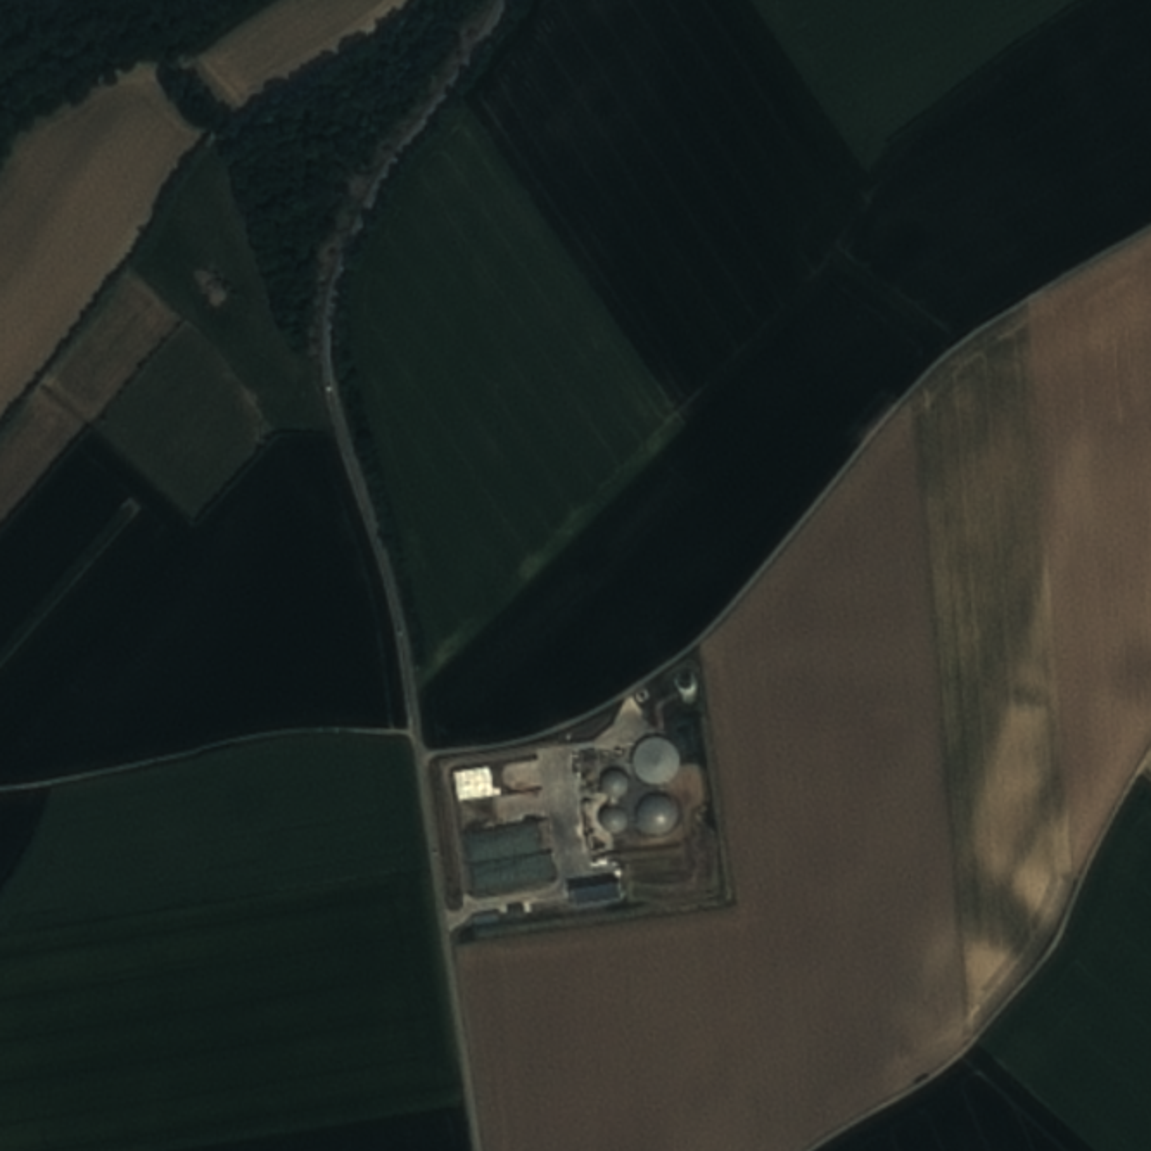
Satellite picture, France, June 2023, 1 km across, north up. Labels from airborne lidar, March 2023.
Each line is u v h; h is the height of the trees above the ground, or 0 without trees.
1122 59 0
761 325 0
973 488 0
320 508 0
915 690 0
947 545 0
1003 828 0
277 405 0
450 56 17
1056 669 0
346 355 14
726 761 0
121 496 0
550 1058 0
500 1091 0
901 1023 0
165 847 0
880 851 0
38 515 0
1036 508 0
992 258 0
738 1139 0
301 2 0
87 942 0
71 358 0
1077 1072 0
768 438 0
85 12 19
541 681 0
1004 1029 0
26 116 20
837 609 0
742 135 0
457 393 0
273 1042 0
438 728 0
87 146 0
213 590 0
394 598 0
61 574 0
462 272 0
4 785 0
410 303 0
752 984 0
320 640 0
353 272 12
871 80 0
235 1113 0
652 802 0
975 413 0
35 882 0
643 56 0
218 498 6
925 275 0
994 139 0
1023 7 0
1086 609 0
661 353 0
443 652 0
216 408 0
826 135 0
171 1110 0
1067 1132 0
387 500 6
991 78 0
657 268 0
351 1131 0
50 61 24
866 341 0
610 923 0
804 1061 0
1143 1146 0
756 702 0
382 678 0
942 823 0
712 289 0
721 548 0
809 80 0
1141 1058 0
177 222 0
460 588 0
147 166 0
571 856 0
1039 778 0
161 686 0
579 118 0
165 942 0
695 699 0
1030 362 0
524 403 0
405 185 0
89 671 0
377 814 0
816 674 0
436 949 0
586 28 0
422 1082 0
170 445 0
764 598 0
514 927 0
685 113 0
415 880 0
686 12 0
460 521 0
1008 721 0
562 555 0
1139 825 0
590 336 0
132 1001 0
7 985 0
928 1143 0
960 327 0
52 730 0
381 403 0
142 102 0
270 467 0
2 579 0
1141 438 0
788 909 0
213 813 0
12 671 0
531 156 0
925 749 0
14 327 0
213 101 16
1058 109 0
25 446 0
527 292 0
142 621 0
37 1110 0
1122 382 0
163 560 0
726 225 0
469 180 0
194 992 0
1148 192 0
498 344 0
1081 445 0
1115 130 0
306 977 0
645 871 0
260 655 0
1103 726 0
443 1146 0
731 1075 0
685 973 0
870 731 0
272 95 18
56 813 0
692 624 0
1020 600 0
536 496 0
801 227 0
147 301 0
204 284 0
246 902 0
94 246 0
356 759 0
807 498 0
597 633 0
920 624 0
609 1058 0
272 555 0
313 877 0
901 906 0
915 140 0
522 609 0
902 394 0
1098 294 0
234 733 0
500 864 0
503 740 0
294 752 0
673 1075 0
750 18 0
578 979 0
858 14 0
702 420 0
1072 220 0
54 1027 0
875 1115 0
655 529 0
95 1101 0
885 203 0
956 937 0
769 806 0
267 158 18
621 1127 0
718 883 0
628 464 0
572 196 0
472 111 0
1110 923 0
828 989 0
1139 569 0
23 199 0
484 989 0
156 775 0
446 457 0
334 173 21
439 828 0
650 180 0
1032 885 0
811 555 0
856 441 0
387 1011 0
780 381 0
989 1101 0
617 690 0
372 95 17
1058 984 0
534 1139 0
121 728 0
